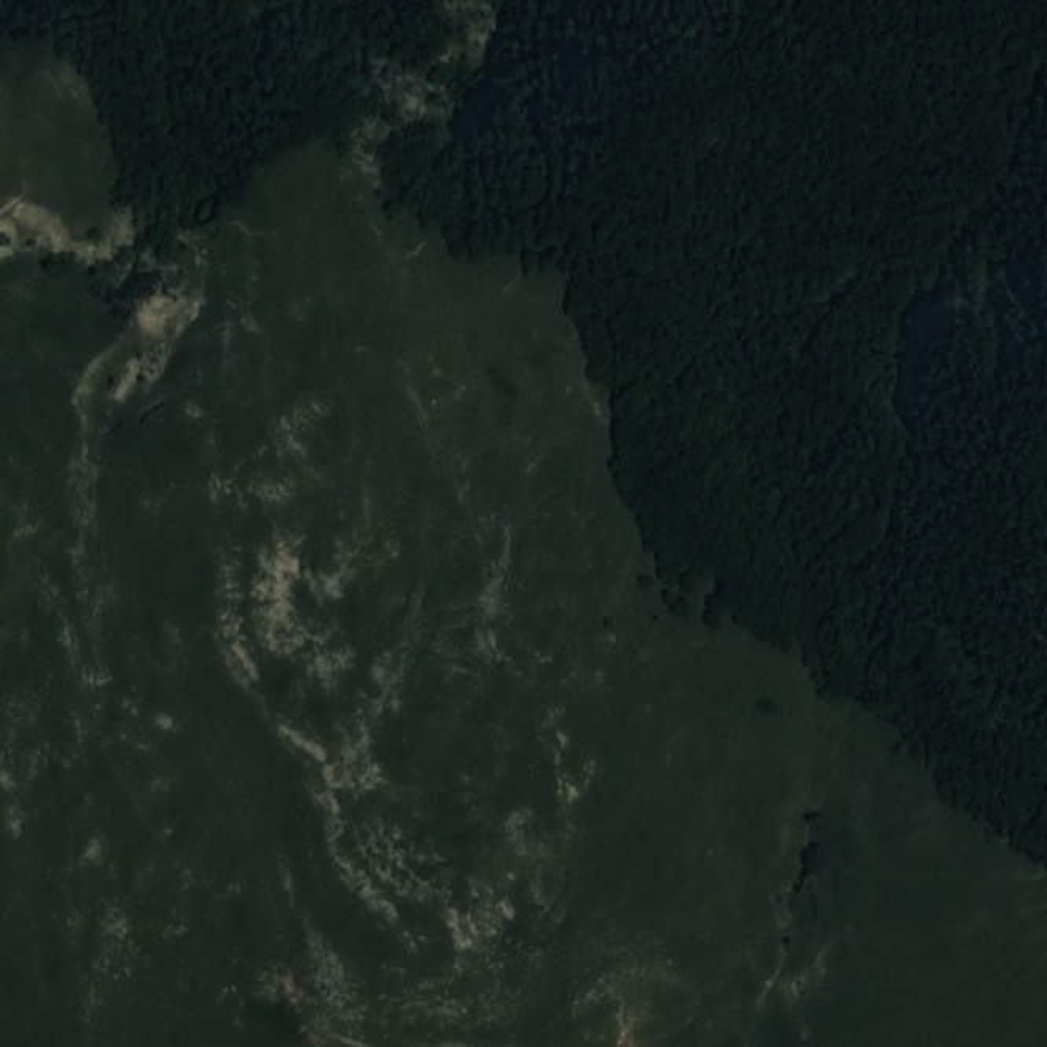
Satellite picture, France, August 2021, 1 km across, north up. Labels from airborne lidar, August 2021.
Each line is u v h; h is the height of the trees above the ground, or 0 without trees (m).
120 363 0
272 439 0
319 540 0
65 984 0
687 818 0
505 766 0
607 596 0
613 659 0
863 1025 0
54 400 0
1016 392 22
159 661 0
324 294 0
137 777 0
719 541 24
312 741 0
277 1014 0
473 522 0
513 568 0
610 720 0
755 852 0
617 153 24
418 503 0
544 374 0
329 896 0
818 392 28
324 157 0
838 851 0
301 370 0
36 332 0
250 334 0
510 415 0
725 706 0
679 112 22
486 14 8
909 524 18
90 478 0
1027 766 14
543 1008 0
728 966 0
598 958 0
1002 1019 0
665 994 0
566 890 0
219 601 0
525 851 0
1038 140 22
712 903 0
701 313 20
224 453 0
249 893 0
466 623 0
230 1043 0
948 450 23
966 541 21
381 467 0
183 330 0
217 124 17
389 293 0
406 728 0
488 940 0
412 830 0
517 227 22
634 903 0
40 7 17
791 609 22
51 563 0
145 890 0
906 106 22
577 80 12
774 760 0
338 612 0
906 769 0
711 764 0
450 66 11
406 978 0
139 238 9
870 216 26
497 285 0
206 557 0
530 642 0
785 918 0
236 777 0
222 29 15
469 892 0
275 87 24
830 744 0
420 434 0
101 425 0
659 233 21
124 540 0
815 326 14
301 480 0
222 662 0
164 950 0
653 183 23
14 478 0
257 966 0
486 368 0
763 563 20
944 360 18
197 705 0
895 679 20
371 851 0
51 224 0
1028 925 0
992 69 29
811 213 24
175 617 0
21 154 0
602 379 14
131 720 0
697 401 24
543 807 0
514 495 0
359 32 15
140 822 0
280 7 17
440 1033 0
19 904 0
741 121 20
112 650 0
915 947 0
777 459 25
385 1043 0
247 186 22
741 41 18
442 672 0
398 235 0
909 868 0
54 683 0
